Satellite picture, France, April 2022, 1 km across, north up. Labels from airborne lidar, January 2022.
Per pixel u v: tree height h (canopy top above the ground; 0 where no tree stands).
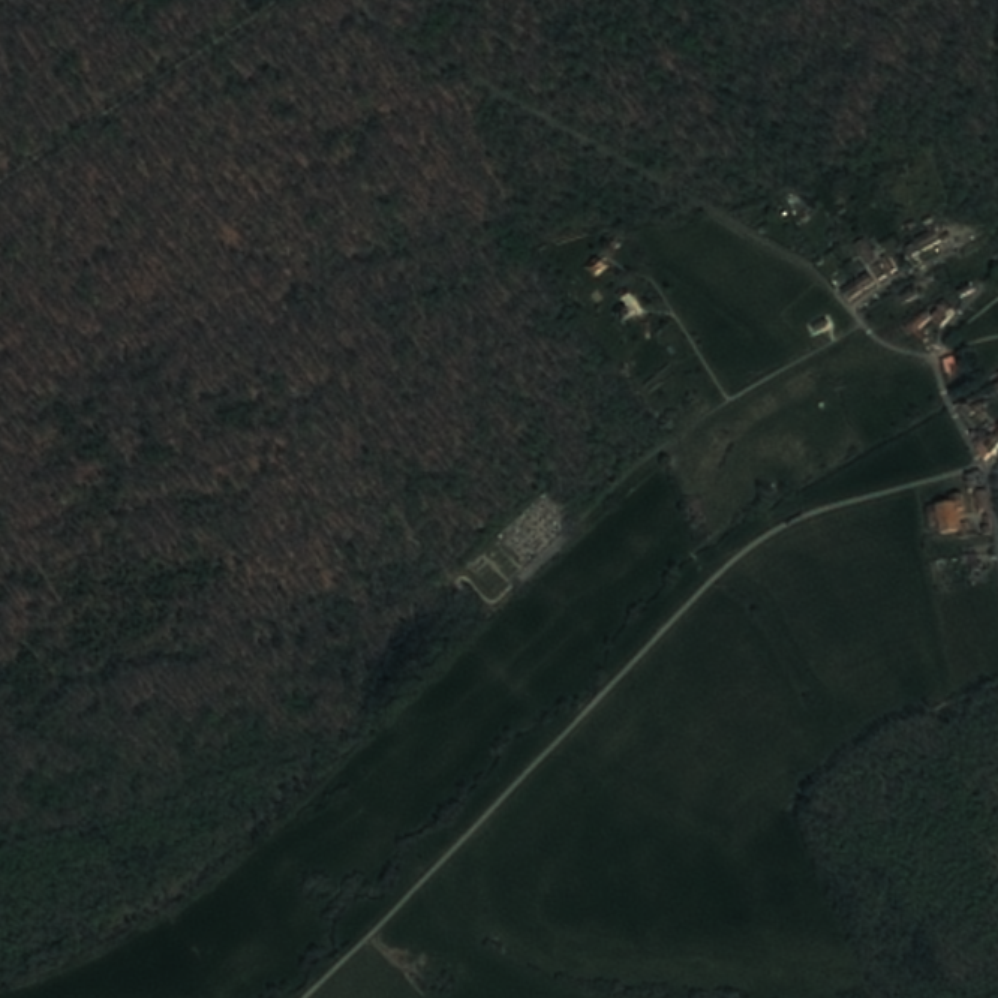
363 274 26
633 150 20
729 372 0
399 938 0
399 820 0
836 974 0
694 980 0
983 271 0
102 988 0
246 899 0
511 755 0
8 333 0
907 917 18
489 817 0
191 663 7
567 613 0
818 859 15
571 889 0
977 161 21
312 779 20
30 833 25
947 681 0
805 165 25
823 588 0
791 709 0
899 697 0
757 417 0
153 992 0
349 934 0
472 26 25
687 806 0
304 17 23
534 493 20
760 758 0
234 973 0
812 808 17
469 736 0
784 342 0
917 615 0
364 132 23
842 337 0
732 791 0
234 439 27
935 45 27
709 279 0
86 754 25
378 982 0
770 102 26
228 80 21
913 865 20
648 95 25
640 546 0
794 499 16
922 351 0
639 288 0
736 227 0
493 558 0
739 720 0
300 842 0
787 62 21
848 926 11
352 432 25
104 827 23
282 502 25
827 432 0
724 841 0
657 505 0
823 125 24
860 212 6
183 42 21
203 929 0
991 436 0
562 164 22
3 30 27
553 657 0
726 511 0
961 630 0
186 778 22
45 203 26
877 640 0
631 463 20
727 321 0
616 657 0
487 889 0
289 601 25
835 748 0
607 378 23
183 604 14
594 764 0
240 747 21
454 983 6
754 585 0
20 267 11
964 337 10
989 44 27
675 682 0
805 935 0
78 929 19
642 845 0
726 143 25
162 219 22
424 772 0
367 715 20
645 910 0
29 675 7
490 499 25
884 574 0
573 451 26
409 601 25
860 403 0
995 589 0
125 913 20
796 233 6
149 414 24
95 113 20
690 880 0
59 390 27
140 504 15
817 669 0
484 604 13
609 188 23
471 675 0
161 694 26
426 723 0
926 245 0
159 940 0
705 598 0
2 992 8
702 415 0
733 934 0
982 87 24
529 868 0
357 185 26
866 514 0
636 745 0
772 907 0
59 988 0
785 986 0
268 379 27
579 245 0
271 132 26
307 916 0
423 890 0
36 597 24
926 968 20
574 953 0
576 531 18
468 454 26
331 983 0
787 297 0
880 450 0
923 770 22
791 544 0
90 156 23
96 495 9
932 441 0
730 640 0
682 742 0
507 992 0
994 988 22
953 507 0
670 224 23
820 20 24
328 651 21
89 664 17
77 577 8
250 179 27
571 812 0
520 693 0
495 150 22
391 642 25
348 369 26
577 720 0
